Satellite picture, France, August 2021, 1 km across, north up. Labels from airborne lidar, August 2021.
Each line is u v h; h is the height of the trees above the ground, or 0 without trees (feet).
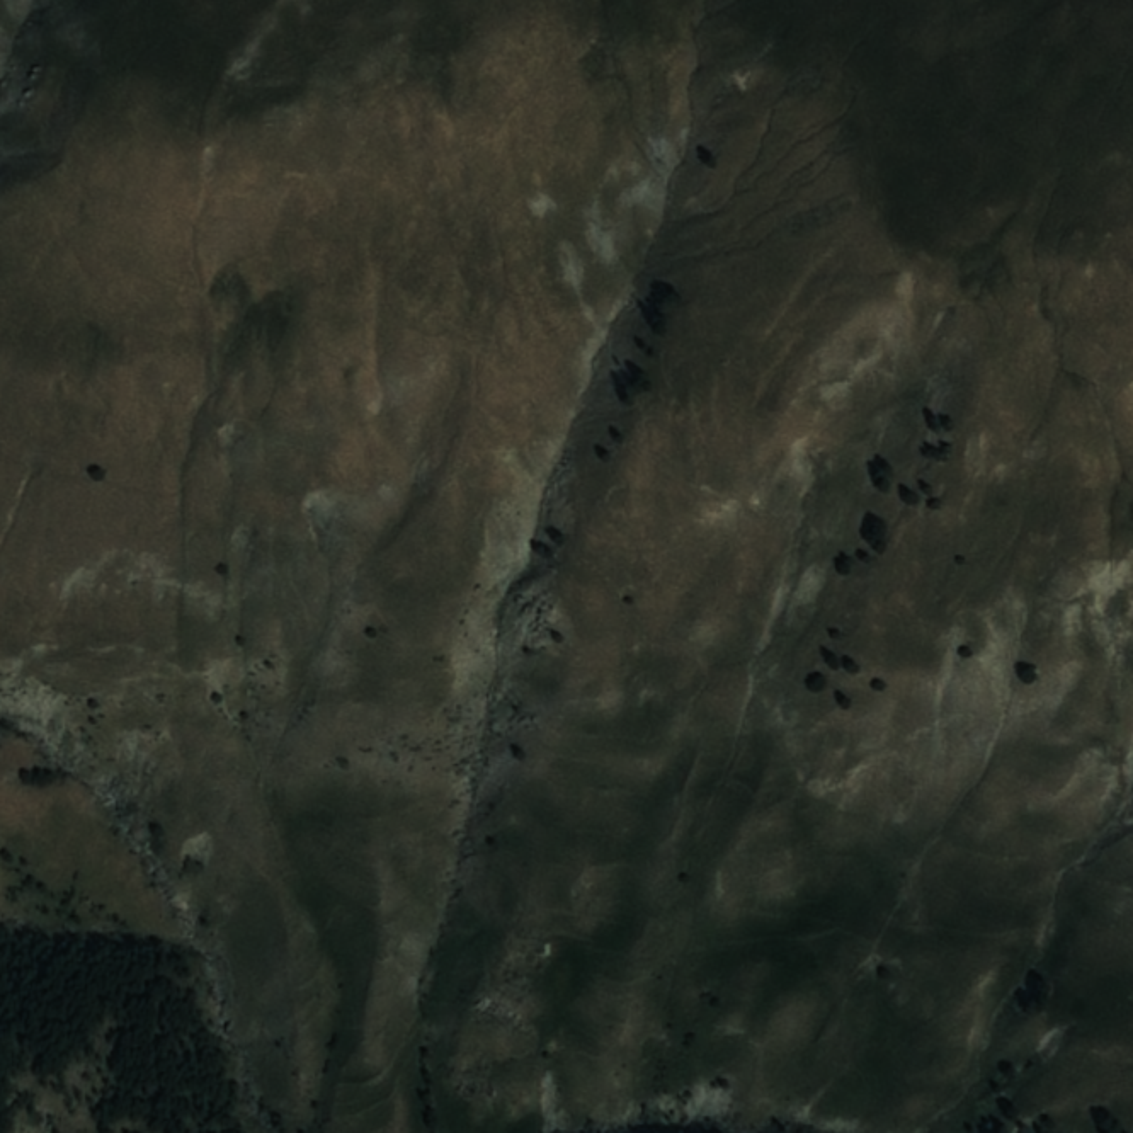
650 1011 0
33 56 0
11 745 0
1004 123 0
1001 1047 0
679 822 0
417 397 0
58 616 0
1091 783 0
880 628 0
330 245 0
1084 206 0
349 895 0
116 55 0
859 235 0
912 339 0
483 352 0
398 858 0
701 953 0
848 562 53
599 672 0
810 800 0
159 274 0
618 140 0
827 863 0
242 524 0
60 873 0
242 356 0
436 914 0
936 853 0
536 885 0
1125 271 0
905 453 0
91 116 0
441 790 0
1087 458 0
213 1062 83
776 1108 0
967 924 0
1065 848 0
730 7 0
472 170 0
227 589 0
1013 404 0
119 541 0
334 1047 34
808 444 0
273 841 0
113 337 0
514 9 0
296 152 0
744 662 0
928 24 0
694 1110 0
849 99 0
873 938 0
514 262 0
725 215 0
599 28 0
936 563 0
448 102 0
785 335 0
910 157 0
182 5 0
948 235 0
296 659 0
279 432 0
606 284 0
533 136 0
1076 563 0
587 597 0
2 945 49
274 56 0
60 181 0
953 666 0
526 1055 0
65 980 76
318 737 0
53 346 0
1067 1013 0
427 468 0
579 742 0
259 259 0
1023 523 0
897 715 0
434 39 0
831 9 0
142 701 0
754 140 0
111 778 0
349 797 0
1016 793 0
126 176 0
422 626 0
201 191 0
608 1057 0
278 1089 0
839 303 0
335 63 0
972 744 0
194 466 0
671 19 0
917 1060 0
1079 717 0
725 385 0
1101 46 0
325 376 0
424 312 0
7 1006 91
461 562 0
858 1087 0
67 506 0
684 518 0
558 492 0
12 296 0
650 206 0
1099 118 0
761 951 0
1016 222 0
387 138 0
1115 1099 0
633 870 0
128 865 0
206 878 0
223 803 0
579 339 0
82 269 0
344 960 0
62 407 0
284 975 0
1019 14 0
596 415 0
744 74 0
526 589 0
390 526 0
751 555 0
